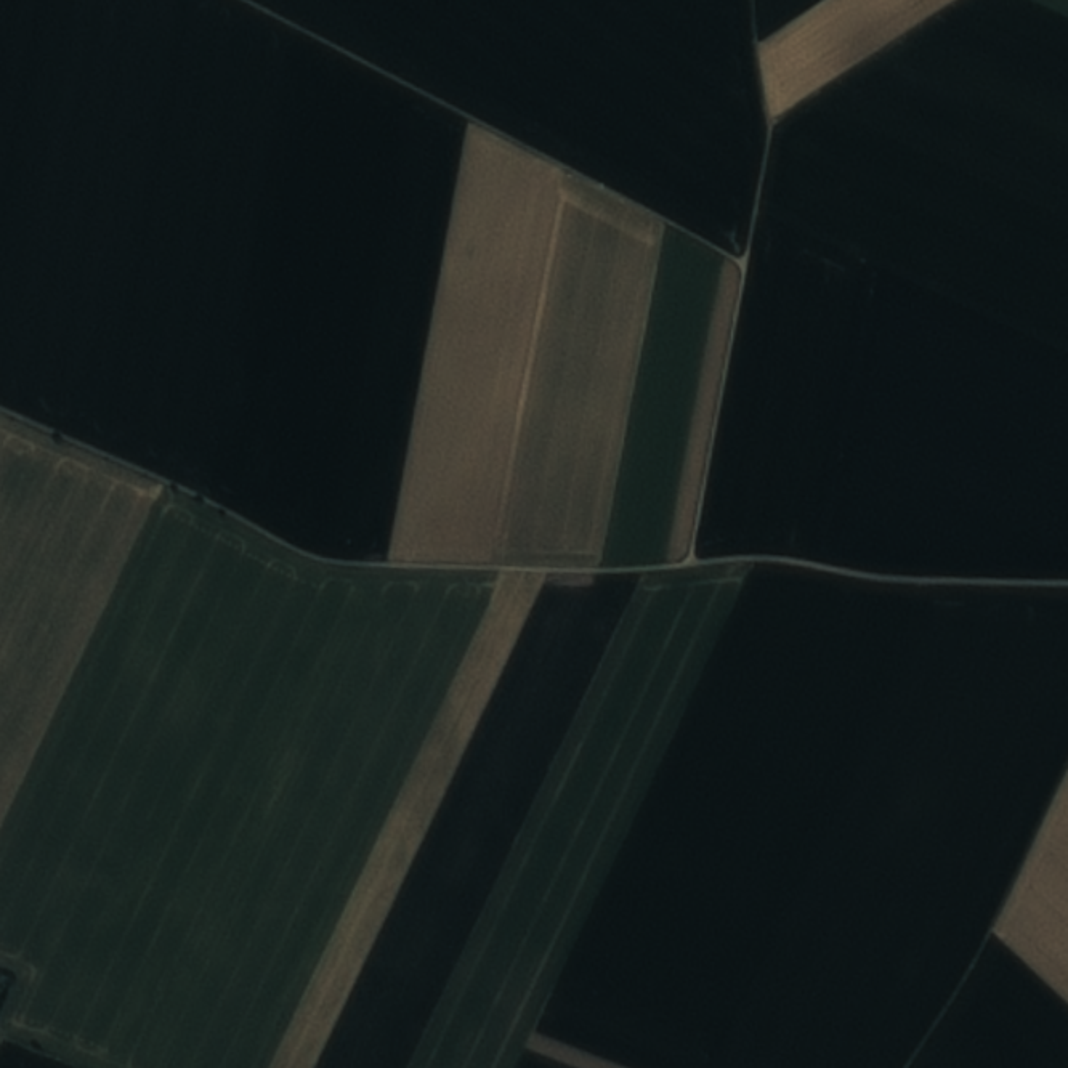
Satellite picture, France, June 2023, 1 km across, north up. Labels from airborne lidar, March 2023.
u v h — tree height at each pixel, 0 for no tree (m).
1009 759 0
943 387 0
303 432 0
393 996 0
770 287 0
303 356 0
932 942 0
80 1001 0
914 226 0
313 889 0
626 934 0
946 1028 0
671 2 0
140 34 0
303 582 0
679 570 0
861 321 0
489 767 0
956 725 0
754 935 0
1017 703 0
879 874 0
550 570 0
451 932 0
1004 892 0
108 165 0
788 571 0
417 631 0
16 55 0
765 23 0
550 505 0
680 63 0
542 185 0
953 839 0
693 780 0
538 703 0
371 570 0
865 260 0
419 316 0
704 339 0
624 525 0
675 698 0
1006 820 0
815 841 0
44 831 0
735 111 0
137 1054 0
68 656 0
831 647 0
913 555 0
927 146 0
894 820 0
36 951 0
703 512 0
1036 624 0
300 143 0
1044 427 0
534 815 0
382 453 0
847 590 0
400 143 0
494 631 0
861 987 0
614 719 0
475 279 0
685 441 0
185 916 0
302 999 0
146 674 0
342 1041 0
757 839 0
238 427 0
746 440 0
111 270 0
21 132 0
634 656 0
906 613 0
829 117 0
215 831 0
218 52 0
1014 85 0
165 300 0
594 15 0
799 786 0
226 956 0
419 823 0
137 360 0
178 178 0
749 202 0
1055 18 0
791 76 0
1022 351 0
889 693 0
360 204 0
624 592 0
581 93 0
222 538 0
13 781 0
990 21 0
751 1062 0
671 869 0
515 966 0
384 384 0
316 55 0
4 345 0
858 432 0
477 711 0
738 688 0
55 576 0
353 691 0
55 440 8
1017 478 0
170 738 0
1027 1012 0
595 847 0
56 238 0
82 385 0
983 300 0
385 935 0
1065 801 0
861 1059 0
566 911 0
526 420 0
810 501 0
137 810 0
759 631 0
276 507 0
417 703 0
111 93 0
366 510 0
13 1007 0
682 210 0
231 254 0
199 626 0
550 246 0
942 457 0
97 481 0
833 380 0
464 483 0
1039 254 0
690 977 0
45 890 0
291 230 0
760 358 0
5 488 0
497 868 0
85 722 0
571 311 0
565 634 0
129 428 0
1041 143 0
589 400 0
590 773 0
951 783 0
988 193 0
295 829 0
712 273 0
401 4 0
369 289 0
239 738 0
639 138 0
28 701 0
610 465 0
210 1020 0
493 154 0
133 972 0
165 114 0
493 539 0
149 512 0
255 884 0
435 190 0
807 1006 0
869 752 0
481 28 0
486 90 0
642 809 0
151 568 0
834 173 0
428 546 0
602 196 0
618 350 0
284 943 0
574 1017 0
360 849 0
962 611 0
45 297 0
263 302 0
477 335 0
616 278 0
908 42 0
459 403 0
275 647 0
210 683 0
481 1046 0
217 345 0
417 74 0
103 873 0
